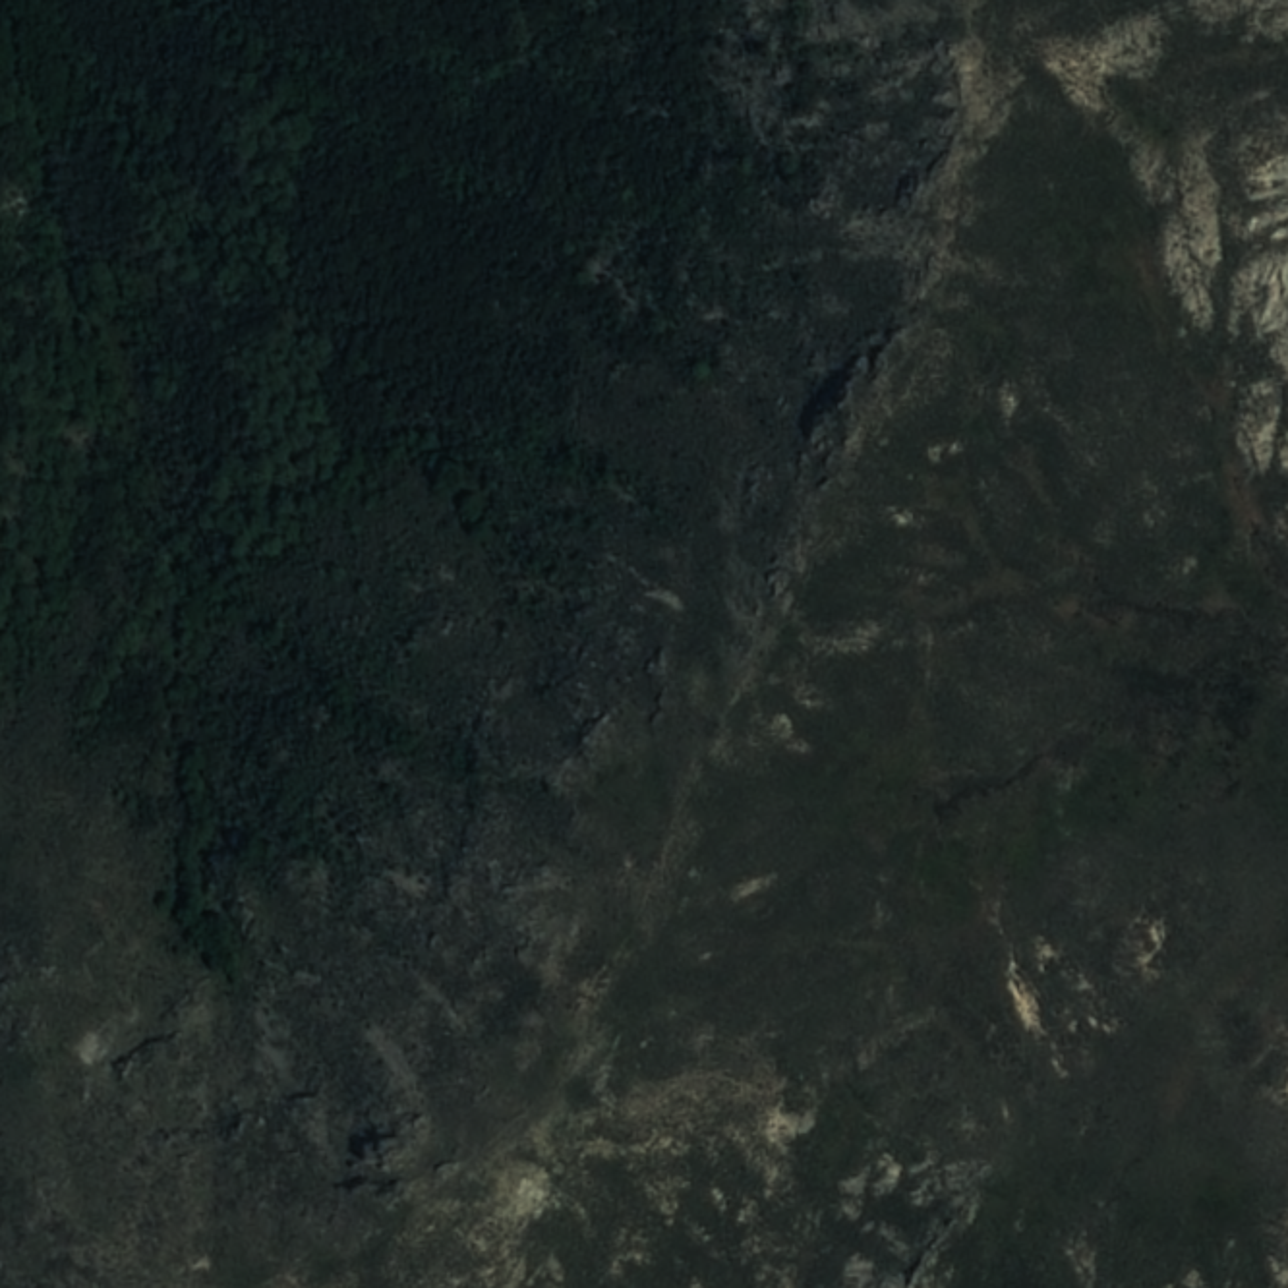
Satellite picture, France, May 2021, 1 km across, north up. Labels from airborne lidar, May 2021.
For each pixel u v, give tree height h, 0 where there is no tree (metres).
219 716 10
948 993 0
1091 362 0
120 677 12
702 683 0
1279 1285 0
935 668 0
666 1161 0
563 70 12
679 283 7
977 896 0
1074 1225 0
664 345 8
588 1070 0
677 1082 0
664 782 0
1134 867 0
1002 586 0
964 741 0
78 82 20
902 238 0
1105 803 0
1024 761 0
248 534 18
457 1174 0
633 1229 0
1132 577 0
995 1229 0
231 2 17
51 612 8
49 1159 0
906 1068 0
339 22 18
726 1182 0
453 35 19
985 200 0
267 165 12
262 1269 0
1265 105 0
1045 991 0
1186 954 0
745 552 0
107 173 11
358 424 9
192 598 15
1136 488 0
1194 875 0
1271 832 0
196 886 23
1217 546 0
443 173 12
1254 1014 0
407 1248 0
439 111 15
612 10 14
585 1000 0
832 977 0
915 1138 0
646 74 14
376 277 14
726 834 0
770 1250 0
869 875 0
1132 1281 0
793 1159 0
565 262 9
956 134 0
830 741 0
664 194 8
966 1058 0
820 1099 0
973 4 0
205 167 9
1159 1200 0
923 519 0
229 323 11
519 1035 0
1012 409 0
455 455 12
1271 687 0
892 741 0
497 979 0
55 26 24
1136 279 0
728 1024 0
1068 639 0
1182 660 0
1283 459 0
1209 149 0
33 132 28
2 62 15
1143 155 0
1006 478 0
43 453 23
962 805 0
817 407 10
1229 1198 0
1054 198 0
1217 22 0
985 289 0
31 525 25
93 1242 0
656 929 0
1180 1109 0
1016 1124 0
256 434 16
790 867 0
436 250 10
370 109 18
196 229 10
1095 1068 0
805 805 0
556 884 0
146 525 13
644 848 0
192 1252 0
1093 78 0
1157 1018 0
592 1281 0
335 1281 0
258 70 13
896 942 0
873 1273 0
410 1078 0
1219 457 0
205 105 15
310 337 22
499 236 10
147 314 10
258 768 9
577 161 13
